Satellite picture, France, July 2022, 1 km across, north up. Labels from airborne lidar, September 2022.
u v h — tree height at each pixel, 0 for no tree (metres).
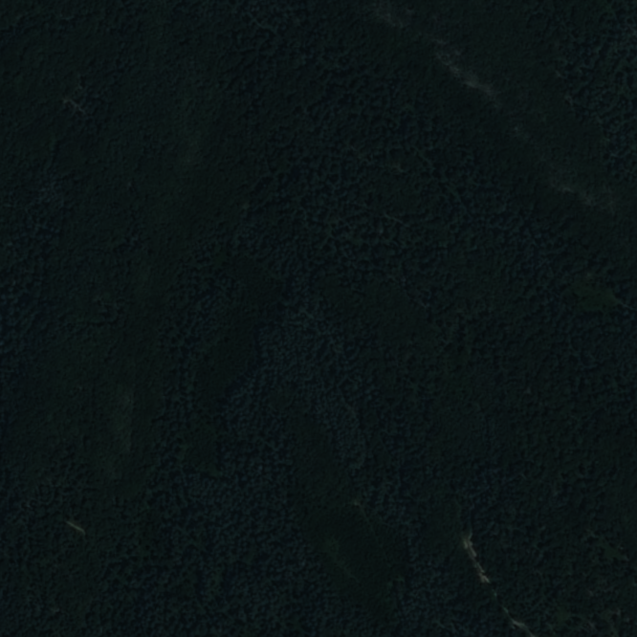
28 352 18
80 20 25
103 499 16
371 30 20
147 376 27
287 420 18
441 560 22
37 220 26
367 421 26
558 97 22
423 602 27
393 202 20
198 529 38
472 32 12
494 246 20
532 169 14
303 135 27
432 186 25
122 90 26
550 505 19
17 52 18
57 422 15
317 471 20
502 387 20
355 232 11
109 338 22
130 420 7
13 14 15
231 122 30
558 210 27
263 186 22
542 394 22
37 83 20
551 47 20
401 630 21
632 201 13
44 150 25
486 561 18
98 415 16
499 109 6
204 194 27
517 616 10
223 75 32
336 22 20
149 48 11
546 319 33
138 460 31
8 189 14
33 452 13
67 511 11
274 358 34
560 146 12
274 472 13
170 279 33
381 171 23
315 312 35
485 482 34
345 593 11
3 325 9
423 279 29
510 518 22
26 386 23
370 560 6
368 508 8
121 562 11
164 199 16
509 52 14
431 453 17
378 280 22
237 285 29
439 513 10
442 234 31
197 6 21
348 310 23
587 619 22
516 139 10
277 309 9
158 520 6
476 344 19
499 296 23
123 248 17
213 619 27
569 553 12
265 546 32
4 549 21
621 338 31
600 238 16
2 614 27
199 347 30
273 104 20
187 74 16
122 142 13
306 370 31
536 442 24
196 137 11
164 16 15
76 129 31
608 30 10
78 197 30
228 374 8
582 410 33
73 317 20
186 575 36
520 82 12
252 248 14
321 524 6
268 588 29
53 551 6
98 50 23
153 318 27
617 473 24
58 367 20
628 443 26
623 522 16
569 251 31
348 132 22
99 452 14
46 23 20
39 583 15
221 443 9
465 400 13
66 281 15
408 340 19
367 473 12
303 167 27
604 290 8
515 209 31
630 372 34
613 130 28
